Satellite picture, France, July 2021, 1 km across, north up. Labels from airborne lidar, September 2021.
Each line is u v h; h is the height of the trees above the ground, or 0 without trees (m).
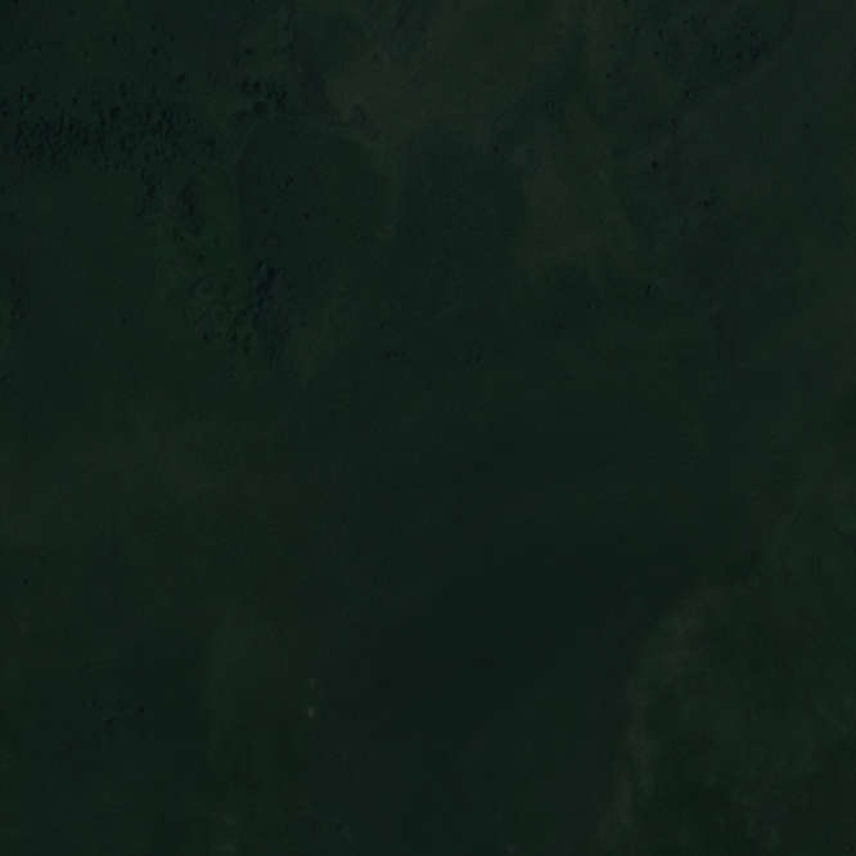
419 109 0
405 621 0
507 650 0
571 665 0
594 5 0
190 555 0
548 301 0
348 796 0
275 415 0
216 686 0
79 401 0
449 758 0
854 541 0
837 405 0
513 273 0
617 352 0
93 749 0
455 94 0
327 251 0
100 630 0
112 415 0
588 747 0
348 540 0
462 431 0
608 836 0
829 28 0
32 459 0
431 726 0
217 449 0
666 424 0
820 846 0
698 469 0
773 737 0
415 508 0
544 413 0
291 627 0
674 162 0
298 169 0
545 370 0
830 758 0
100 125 6
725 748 0
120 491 0
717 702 0
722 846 0
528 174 0
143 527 0
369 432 0
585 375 0
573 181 0
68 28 0
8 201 0
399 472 0
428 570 0
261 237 0
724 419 0
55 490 0
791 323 0
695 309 0
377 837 0
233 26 0
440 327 0
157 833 0
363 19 0
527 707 0
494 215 0
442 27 0
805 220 0
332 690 0
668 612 0
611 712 0
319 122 0
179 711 0
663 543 0
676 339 0
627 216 0
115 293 0
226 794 0
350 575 0
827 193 0
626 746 0
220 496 0
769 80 0
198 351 0
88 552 0
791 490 0
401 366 0
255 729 0
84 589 0
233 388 0
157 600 0
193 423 0
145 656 0
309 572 0
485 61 0
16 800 0
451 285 0
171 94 0
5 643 0
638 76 0
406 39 0
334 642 0
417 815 0
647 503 0
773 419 0
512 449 0
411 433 0
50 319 0
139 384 0
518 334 0
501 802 0
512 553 0
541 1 0
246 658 0
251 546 0
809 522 0
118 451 0
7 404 0
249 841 0
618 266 0
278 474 0
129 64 0
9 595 0
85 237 0
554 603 0
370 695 0
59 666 0
